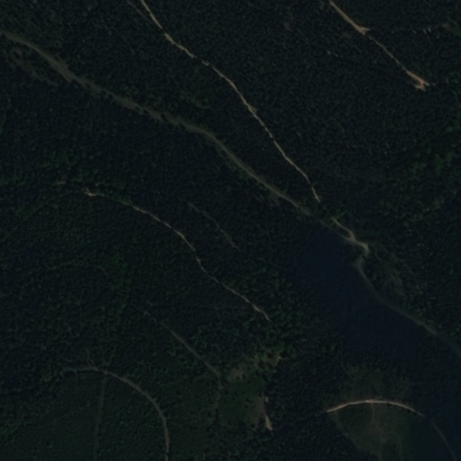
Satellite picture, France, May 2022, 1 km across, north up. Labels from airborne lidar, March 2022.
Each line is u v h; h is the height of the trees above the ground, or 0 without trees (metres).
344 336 19
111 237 13
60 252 14
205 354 34
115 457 6
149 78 37
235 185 28
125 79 36
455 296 29
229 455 34
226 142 30
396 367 24
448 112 39
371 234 18
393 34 26
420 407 39
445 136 26
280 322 29
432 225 24
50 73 29
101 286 15
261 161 27
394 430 0
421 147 23
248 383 12
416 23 26
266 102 35
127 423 7
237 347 34
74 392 6
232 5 35
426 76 13
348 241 0
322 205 17
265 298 24
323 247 30
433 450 0
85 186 19
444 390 21
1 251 14
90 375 7
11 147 27
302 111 27
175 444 7
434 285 34
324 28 29
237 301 17
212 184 19
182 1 28
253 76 30
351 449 25
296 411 24
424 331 16
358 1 27
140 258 16
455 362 25
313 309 24
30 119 28
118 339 19
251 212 24
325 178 26
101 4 30
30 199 23
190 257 18
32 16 10
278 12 23
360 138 32
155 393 7
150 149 24
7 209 21
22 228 9
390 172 30
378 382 0
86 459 6
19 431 7
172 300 20
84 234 10
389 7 27
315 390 23
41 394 21
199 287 19
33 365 19
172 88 34
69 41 11
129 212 14
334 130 33
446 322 28
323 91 25
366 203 29
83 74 16
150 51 31
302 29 25
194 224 23
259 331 7
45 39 29
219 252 25
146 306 15
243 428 40
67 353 12
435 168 27
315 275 22
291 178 28
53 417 6
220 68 30
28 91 30
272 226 19
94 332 18
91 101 17
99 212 17
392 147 31
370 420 0
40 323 25
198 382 6
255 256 22
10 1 30
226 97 37
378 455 0
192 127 0
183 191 24
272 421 39
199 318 12
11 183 21
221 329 26
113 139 23
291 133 31
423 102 31
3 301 8
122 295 17
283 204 28
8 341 23
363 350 19
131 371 10
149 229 17
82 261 14
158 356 8
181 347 6
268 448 22
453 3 26
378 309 23
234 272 28
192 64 34
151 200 21
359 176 29
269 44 31
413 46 29
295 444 24
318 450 21
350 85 26
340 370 25
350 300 20
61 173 21
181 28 27
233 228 22
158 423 6
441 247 23
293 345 30
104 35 35
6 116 31
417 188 30
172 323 17
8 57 0
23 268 15
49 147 28
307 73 29
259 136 35
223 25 34
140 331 19
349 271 18
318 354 17
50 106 24
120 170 25
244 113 36
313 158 30
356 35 28
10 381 17
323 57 28
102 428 9
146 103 24
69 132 13
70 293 10
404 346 21
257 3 31
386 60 28
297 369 26
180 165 22
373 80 27
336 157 36
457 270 26
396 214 30
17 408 25
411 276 10
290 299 22
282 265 25
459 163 33
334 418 0
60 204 12
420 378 6
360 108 32
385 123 27
